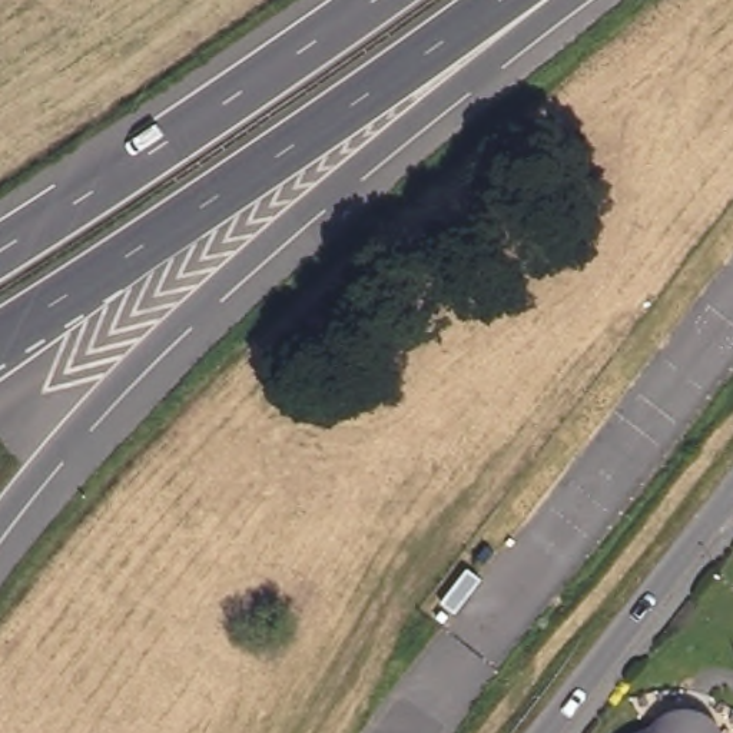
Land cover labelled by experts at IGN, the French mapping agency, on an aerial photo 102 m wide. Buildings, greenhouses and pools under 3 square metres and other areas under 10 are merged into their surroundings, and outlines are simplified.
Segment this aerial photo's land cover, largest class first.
<instances>
[{"label":"agricultural land","instance_id":"1","mask_svg":"<svg viewBox=\"0 0 733 733\"><path fill-rule=\"evenodd\" d=\"M261 0H0V178L23 166L29 157L40 155L43 149H49L52 143H57L60 137L72 135L77 126L100 117L115 100L126 97L163 69H169L175 60L186 57L195 46L209 40L218 29L229 26L241 14H246ZM538 117H558L564 126H570L578 117L581 132L593 146V163L601 169L610 186V209L601 218L596 258L590 263H584L581 269H564L530 281L527 289L533 295V306L521 315H504L484 324L461 321L447 306L432 312L427 321L429 344L415 346L407 358L401 401L395 407H375L372 412H361L358 418L338 421L335 427L298 424L281 415V409L263 398V387L249 364H235L226 375H220L215 387L140 458V464L123 475L120 487L109 495V501L100 504L97 513L74 530L60 555L49 564V570L40 573L26 601L0 627V733H346L355 722V713L367 704L375 681L381 679L384 661L398 639V627L412 610V593L424 587L432 576H438L450 561H470L475 544L490 541L495 550L507 547V541L533 518V513L544 504L553 487L561 481V475L570 470L573 458L596 438V432L610 418L613 407L633 387L639 372L656 355V349L664 346L676 324L687 315L696 298L704 292V286L713 281V275L733 258V0H661L659 6L641 11L618 40L596 52L573 74V80L561 86L558 100L547 94L538 106ZM263 584H272L278 596L292 598L289 613L298 621L292 644L283 647L278 656H252L235 647L223 627V601L232 596H246Z\"/></svg>","mask_w":733,"mask_h":733},{"label":"impervious surface","instance_id":"2","mask_svg":"<svg viewBox=\"0 0 733 733\"><path fill-rule=\"evenodd\" d=\"M621 0H295L292 6L269 17L263 26L232 43L226 52L212 57L206 66L195 69L180 83L169 86L163 94L143 103L135 115H126L100 135L83 140L72 155H66L54 166H46L31 180L0 198V584L11 573V567L26 555V550L37 541L46 524L112 455V450L192 372V367L238 321H243L266 298L269 289L283 286L304 258L318 252L321 223L332 218L341 200L392 192L412 166L432 157L452 135L461 132L464 112L470 103L495 97L498 92L527 80L558 52L576 43L596 20H601ZM733 375V258L713 275V281L704 286V292L696 298L687 315L676 324L664 346L656 349V355L639 372L633 387L613 407L610 418L596 432V438L573 458L570 470L561 475V481L553 487L544 504L533 513V518L507 541V547L495 550L490 541L475 544L470 561H450L438 576H432L424 587L412 593V604L438 621V636L427 644V650L404 673L398 687L375 710L364 733H455L470 704L481 696L484 684L495 676L501 661L518 644V639L541 618L547 607L561 604L564 581L573 578L578 567L604 544L613 527L621 521V515L630 510V504L647 490L653 475L676 452L687 429L696 424V418L710 407L716 392ZM733 541V467L722 475L716 490L690 515V521L673 538L667 553L636 587L633 598L601 630L596 644L584 653V659L573 667V673L561 681V687L550 696L547 707L524 733H581L584 724L613 693L616 681L650 656L653 636H664L676 624V616L681 613V598L687 593L693 596L704 578L719 573L716 555H722L724 547ZM639 730L656 727L667 713L690 710L699 716L713 713L716 724H722L727 733H733V673L707 670L679 687H656V693L633 699Z\"/></svg>","mask_w":733,"mask_h":733},{"label":"herbaceous vegetation","instance_id":"3","mask_svg":"<svg viewBox=\"0 0 733 733\"><path fill-rule=\"evenodd\" d=\"M661 0H621L601 20H596L576 43L558 52L527 80L498 92L495 97L470 103L464 112L461 132L452 135L432 157L412 166L392 192L341 200L332 218L321 223L318 252L304 258L283 286L269 289L266 298L243 321H238L192 367V372L112 450V455L46 524L37 541L26 550V555L11 567V573L0 584V627L26 601L40 573L49 570V564L60 555L74 530L97 513L100 504L109 501V495L120 487L123 475L140 464V458L215 387L220 375H226L235 364H249L286 326L318 312L329 301L335 278H346L355 272V255L375 235L407 232L421 226L432 215L461 212L464 186L472 180L478 169L475 140L484 129H490L498 117H538V106L547 94L558 100L561 86L573 80V74L596 52L618 40L641 11L659 6ZM733 467V375L716 392L710 407L696 418V424L687 429L676 452L653 475L647 490L630 504V510L621 515V521L613 527L604 544L578 567L573 578L564 581L561 604L547 607L541 618L518 639V644L501 661L495 676L484 684L481 696L470 704L455 733H524L547 707L550 696L561 687V681L573 673V667L584 659V653L596 644L601 630L633 598L636 587L667 553L673 538L690 521V515L716 490L722 475ZM719 573L704 578L693 596L687 593L681 598V613L676 616V624L664 636H653L650 656L616 681L613 693L584 724L581 733H639V730L633 699L656 693V687H679L707 670L733 673V541L724 547L722 555H716ZM438 636V621L412 604V610L398 627V639L384 661L381 679L375 681L367 704L355 713V722L346 733H364L375 710L398 687L404 673L427 650V644Z\"/></svg>","mask_w":733,"mask_h":733},{"label":"deciduous trees","instance_id":"4","mask_svg":"<svg viewBox=\"0 0 733 733\"><path fill-rule=\"evenodd\" d=\"M478 169L472 180L464 186L461 212L432 215L421 226L407 232L375 235L355 255V272L346 278H335L329 301L318 312L286 326L249 364L263 387V398L281 409V415L298 424L335 427L338 421L358 418L361 412H372L375 407H395L401 401L407 358L415 346L429 344L427 321L432 312L447 306L461 321L484 324L504 315H521L533 306V295L527 289L530 281L564 269H581L584 263H590L596 258L601 218L610 209V186L601 169L593 163V146L581 132L578 117L570 126H564L558 117H498L490 129H484L475 140ZM292 598L278 596L272 584H263L246 596H232L223 601V627L235 647L252 656H278L283 647L292 644L298 621L289 613Z\"/></svg>","mask_w":733,"mask_h":733},{"label":"brushwood","instance_id":"5","mask_svg":"<svg viewBox=\"0 0 733 733\"><path fill-rule=\"evenodd\" d=\"M295 0H261L246 14H241L229 26L218 29L209 40L195 46L186 57L175 60L169 69H163L126 97L115 100L100 117L77 126L72 135L60 137L57 143H52L49 149H43L40 155L29 157L23 166L0 178V198L31 180L46 166H54L66 155H72L83 140L100 135L126 115H135L143 103L163 94L169 86L180 83L195 69L206 66L212 57L226 52L232 43L263 26L269 17L292 6Z\"/></svg>","mask_w":733,"mask_h":733},{"label":"building","instance_id":"6","mask_svg":"<svg viewBox=\"0 0 733 733\"><path fill-rule=\"evenodd\" d=\"M639 733H727L722 724H716L713 713L699 716L690 710L667 713L656 727L639 730Z\"/></svg>","mask_w":733,"mask_h":733}]
</instances>
